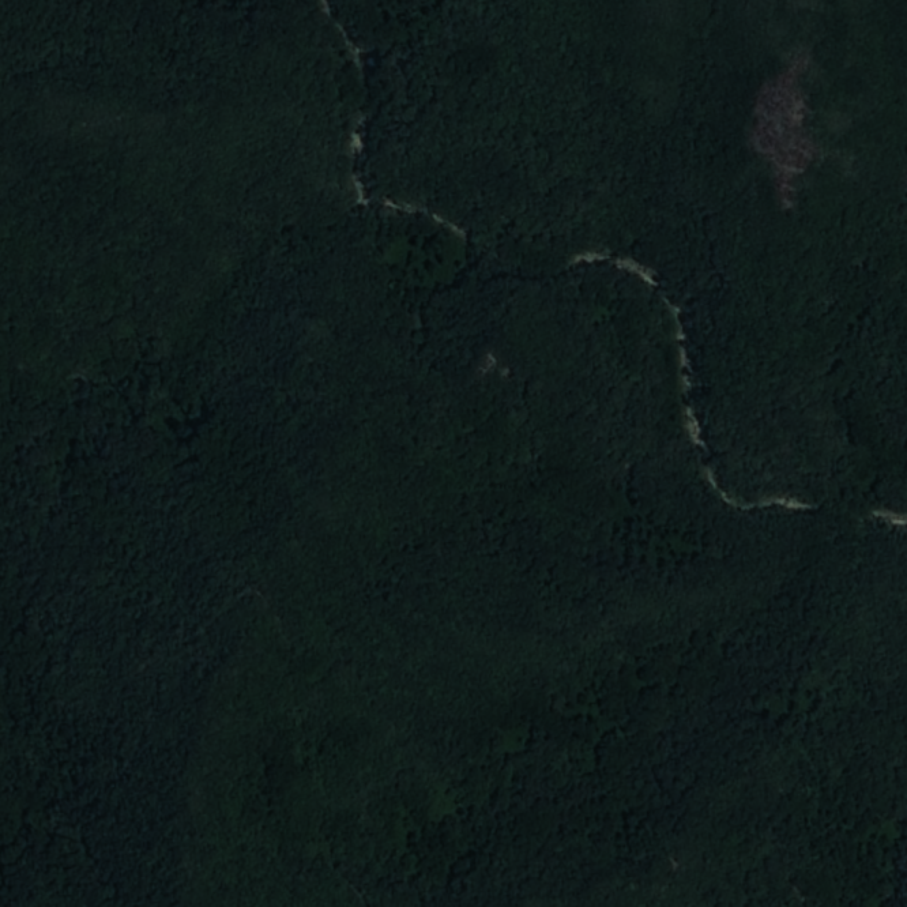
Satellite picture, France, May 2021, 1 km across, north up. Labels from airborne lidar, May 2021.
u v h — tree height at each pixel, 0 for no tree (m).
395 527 15
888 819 12
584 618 15
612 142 9
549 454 17
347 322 20
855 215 9
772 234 6
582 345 18
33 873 12
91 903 17
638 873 17
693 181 6
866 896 18
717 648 29
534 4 12
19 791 24
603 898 10
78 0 11
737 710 18
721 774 15
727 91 6
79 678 17
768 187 5
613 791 13
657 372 22
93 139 10
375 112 25
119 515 27
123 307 21
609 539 15
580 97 16
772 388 14
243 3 25
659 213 18
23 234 16
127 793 17
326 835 6
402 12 10
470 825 15
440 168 19
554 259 23
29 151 12
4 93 9
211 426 32
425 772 12
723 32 6
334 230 23
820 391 17
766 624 18
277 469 29
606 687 15
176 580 16
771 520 26
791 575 28
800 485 16
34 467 18
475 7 6
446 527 25
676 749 19
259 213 25
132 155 8
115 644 13
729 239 7
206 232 18
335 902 12
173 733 8
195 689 14
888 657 12
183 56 22
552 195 17
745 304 12
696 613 10
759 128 6
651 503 12
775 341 12
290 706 8
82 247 18
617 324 18
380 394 18
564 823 14
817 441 18
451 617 19
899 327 21
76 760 12
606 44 9
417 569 21
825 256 16
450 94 21
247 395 13
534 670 10
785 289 8
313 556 14
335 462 12
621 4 7
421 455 22
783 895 16
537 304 10
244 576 12
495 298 11
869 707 10
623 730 10
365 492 10
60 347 20
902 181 6
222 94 14
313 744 12
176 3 23
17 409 29
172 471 26
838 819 19
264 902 12
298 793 8
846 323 29
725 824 14
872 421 22
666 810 18
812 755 11
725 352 16
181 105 16
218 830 12
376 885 19
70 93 11
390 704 10
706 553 11
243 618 7
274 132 15
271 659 7
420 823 15
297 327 8
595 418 16
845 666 16
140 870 16
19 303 20
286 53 15
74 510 17
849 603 9
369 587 23
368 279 21
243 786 15
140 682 10
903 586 17
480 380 8
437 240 17
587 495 30
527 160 11
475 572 21
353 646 14
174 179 10
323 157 18
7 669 20
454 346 22
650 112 11
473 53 22
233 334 23
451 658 9
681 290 21
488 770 16
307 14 17
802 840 14
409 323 24
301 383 14
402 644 12
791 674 22
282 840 13
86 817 17
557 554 23
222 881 11
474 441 19
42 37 17
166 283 20
